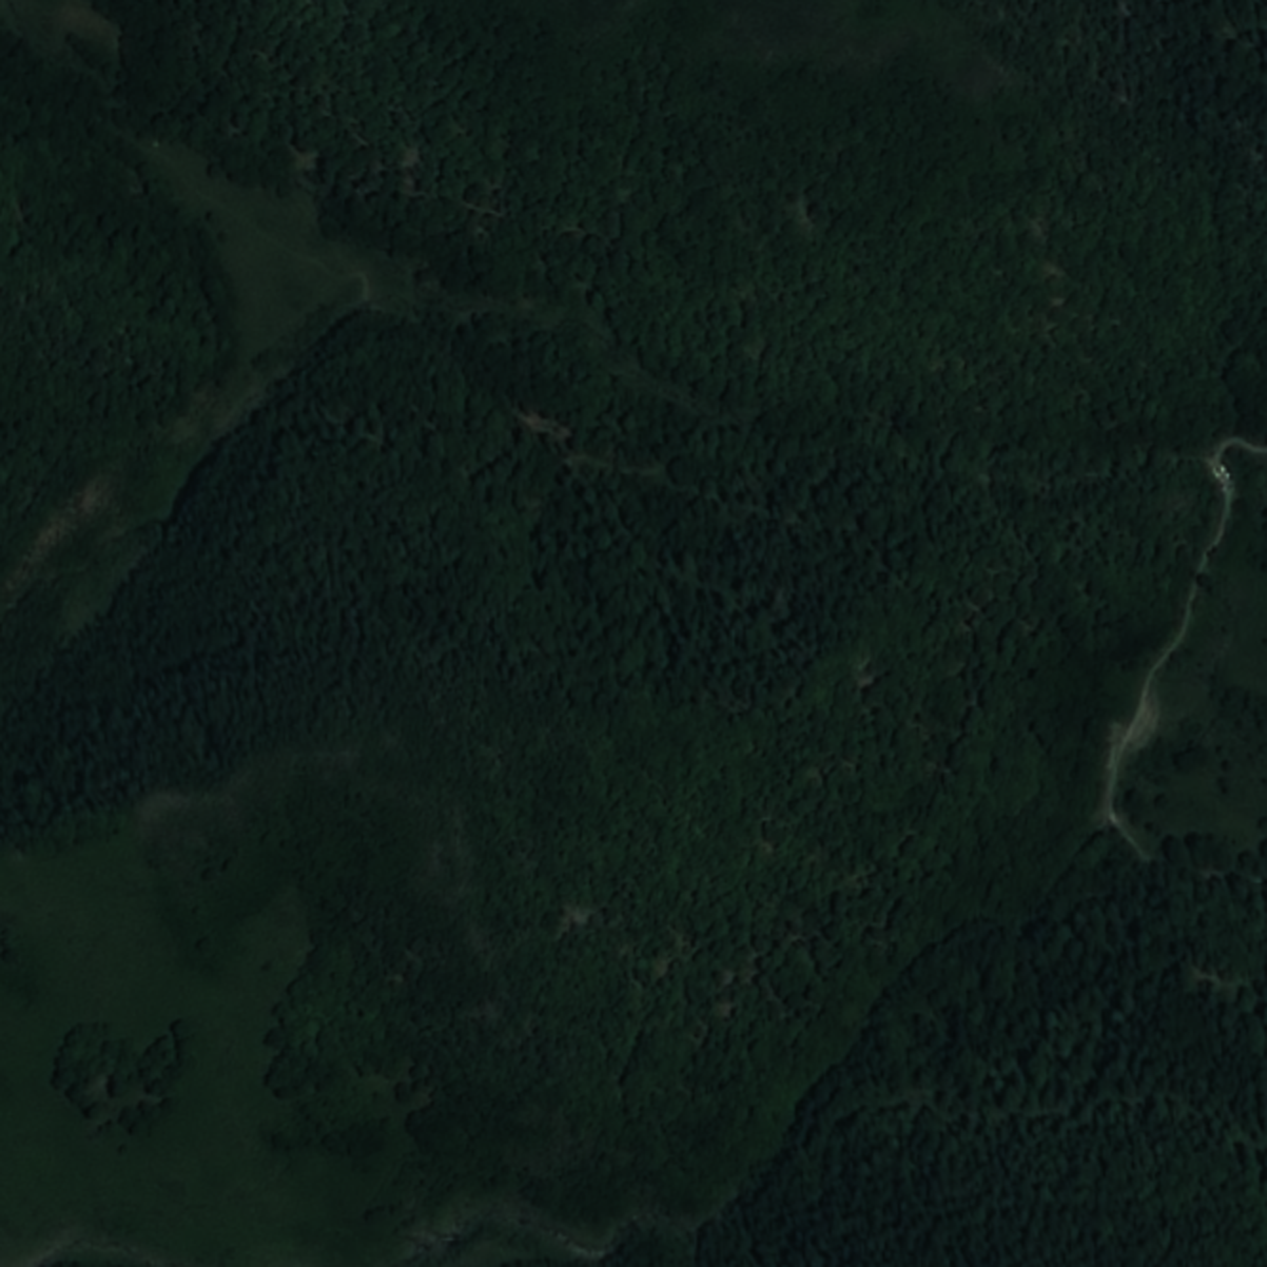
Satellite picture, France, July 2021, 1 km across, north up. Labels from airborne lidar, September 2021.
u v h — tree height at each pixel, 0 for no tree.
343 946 19
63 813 24
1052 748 27
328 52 12
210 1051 0
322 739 6
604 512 16
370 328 18
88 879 0
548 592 35
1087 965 24
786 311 15
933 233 19
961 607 19
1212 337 27
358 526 21
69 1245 0
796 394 24
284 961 0
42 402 15
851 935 26
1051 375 13
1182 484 10
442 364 23
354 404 23
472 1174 8
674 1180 13
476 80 21
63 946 0
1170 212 21
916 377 13
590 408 19
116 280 25
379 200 23
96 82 10
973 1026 28
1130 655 17
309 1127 7
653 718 14
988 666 28
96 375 22
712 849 19
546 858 12
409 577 23
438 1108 15
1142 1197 16
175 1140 0
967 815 26
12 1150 0
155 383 24
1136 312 20
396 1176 5
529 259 23
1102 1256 26
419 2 10
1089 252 14
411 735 10
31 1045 0
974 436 28
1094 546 8
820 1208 19
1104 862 9
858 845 21
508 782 18
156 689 12
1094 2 19
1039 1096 14
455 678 15
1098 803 7
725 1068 23
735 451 26
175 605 12
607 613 31
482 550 21
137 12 16
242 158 17
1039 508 11
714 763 19
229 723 7
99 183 20
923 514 9
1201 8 20
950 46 0
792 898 22
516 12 9
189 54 19
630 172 16
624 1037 16
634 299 20
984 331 13
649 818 18
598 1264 13
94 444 21
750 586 26
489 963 9
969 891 29
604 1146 14
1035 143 17
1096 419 19
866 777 20
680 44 12
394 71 17
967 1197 18
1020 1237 16
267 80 19
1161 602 16
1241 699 10
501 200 18
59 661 9
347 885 13
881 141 18
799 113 8
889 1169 15
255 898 7
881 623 14
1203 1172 20
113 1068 27
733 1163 18
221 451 12
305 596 19
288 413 24
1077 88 21
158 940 0
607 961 22
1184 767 12
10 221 22
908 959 8
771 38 0
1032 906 19
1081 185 14
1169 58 29
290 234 0
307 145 26
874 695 32
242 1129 0
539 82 12
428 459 13
